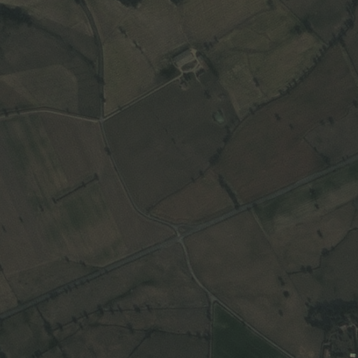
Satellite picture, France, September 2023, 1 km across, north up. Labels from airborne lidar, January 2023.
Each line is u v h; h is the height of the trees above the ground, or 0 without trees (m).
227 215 0
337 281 0
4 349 0
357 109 0
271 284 0
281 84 0
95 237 0
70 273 0
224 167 0
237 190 0
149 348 0
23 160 0
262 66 0
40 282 0
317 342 0
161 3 0
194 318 0
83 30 0
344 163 0
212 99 0
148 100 0
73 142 0
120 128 0
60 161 0
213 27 0
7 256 0
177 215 0
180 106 0
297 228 0
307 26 18
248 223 0
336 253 0
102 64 0
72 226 0
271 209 0
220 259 0
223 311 0
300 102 0
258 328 0
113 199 0
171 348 0
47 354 0
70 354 0
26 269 0
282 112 0
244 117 0
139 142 0
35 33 0
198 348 0
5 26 0
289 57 0
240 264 0
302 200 0
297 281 0
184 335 0
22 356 0
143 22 0
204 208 0
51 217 0
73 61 0
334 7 0
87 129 0
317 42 0
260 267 0
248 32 0
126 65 0
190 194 0
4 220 0
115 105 0
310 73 0
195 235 0
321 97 0
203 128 0
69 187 0
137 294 0
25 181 0
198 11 0
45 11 0
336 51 0
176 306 0
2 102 0
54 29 0
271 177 0
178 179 0
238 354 0
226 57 0
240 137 0
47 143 0
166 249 0
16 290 0
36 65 0
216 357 0
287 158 0
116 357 0
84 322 0
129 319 0
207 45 13
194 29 0
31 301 0
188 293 0
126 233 0
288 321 0
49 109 0
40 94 0
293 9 0
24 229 0
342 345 0
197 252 0
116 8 0
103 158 0
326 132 0
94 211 0
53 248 0
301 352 0
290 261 0
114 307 0
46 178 0
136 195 0
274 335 0
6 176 0
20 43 0
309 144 0
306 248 0
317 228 0
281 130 0
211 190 0
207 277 0
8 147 0
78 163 0
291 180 0
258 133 0
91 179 0
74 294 0
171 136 0
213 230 0
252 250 0
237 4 0
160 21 0
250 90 0
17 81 0
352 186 0
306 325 0
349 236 0
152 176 0
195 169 0
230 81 0
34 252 0
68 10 0
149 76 0
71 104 0
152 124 0
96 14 0
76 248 0
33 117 0
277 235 0
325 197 0
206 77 0
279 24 0
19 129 0
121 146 0
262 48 0
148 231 0
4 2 0
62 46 0
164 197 0
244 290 0
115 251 0
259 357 0
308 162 0
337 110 0
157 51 0
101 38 0
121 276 0
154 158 0
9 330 0
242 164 0
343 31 15
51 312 0
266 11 0
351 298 0
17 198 0
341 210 0
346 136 0
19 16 18
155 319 0
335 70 0
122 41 0
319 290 0
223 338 0
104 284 0
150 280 0
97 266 0
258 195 0
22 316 0
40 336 0
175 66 0
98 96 0
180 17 0
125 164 0
